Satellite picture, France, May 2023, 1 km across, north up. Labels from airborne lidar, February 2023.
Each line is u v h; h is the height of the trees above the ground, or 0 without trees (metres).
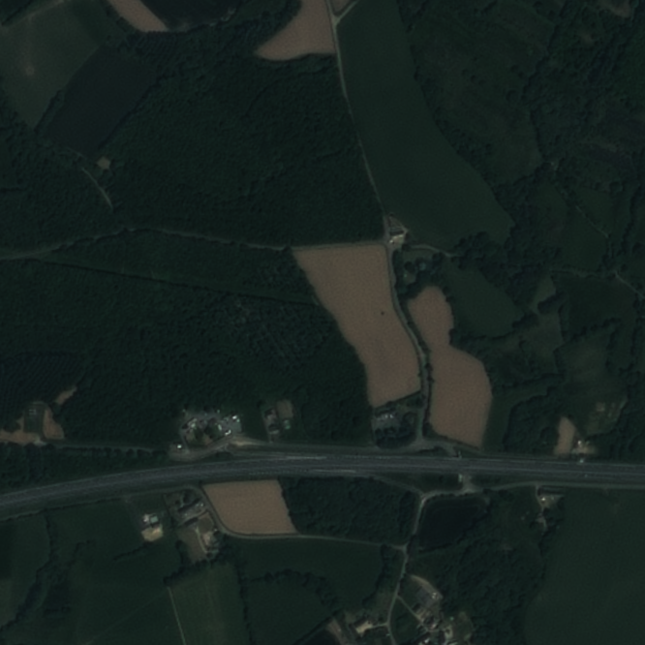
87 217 12
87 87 0
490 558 8
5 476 8
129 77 0
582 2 9
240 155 12
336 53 0
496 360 0
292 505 15
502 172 0
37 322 13
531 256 16
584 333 13
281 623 0
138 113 13
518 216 15
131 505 0
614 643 0
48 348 11
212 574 0
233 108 14
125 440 14
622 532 0
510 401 0
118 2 0
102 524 0
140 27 0
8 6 0
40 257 0
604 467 0
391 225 0
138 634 0
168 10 0
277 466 0
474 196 0
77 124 0
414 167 0
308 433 9
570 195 7
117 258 15
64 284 14
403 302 8
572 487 0
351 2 9
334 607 24
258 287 9
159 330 14
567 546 0
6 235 11
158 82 11
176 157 14
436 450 10
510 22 0
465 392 0
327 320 10
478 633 11
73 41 0
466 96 0
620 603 0
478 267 12
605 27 7
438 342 0
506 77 0
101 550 0
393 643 0
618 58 16
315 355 12
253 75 15
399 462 0
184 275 12
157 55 33
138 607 0
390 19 0
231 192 11
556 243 0
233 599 0
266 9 0
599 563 0
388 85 0
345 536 15
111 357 12
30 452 23
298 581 16
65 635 0
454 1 9
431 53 0
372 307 0
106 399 13
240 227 12
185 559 13
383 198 0
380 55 0
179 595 0
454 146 10
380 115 0
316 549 0
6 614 0
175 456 0
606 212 0
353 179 13
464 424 0
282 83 12
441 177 0
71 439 10
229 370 10
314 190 12
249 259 12
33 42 0
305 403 8
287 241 9
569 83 10
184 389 15
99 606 0
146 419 13
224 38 16
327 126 13
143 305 14
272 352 13
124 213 12
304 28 0
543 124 12
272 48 0
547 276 9
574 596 0
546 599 0
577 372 0
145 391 9
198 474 0
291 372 13
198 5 0
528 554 0
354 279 0
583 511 0
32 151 7
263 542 0
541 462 0
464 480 0
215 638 0
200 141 14
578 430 0
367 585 0
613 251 6
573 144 10
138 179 14
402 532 17
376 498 7
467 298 0
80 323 13
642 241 0
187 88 16
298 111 13
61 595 0
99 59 0
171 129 14
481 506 0
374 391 0
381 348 0
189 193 12
